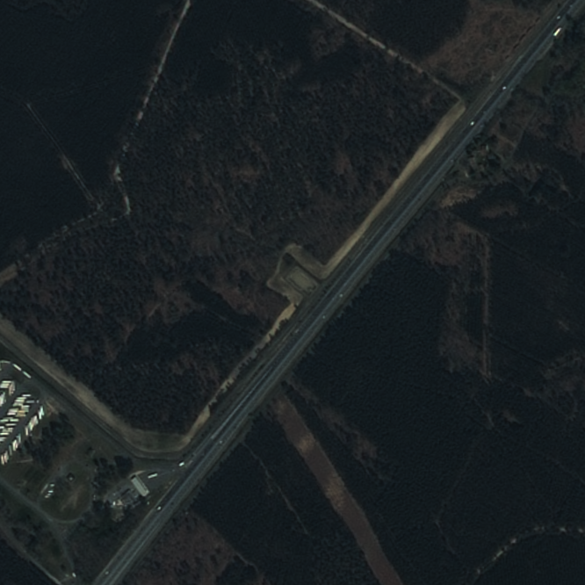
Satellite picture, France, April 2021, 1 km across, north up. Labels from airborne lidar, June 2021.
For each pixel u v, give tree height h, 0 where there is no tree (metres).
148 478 0
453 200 0
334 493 0
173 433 18
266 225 18
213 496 8
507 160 8
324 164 19
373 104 18
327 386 18
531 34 0
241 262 5
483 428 17
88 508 0
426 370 18
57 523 0
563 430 16
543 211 15
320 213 10
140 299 17
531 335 9
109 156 10
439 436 18
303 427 0
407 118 22
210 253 15
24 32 10
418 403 18
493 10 0
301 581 9
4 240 7
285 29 10
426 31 13
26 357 0
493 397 14
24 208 8
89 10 8
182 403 23
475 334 11
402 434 18
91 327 20
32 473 0
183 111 20
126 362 11
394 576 0
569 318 9
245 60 16
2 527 0
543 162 9
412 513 20
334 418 7
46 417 0
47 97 8
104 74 9
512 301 10
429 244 15
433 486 18
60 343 15
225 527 11
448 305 17
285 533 12
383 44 10
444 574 21
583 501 19
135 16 9
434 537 18
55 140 9
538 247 12
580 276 12
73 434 11
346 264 0
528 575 10
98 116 10
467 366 17
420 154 0
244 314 10
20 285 16
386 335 18
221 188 13
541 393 12
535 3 14
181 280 20
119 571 0
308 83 9
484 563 15
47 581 12
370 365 17
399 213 0
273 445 10
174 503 0
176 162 21
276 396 0
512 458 13
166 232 18
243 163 19
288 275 0
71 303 15
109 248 19
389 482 14
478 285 10
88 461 0
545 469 15
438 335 18
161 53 7
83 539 17
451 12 14
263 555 10
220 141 19
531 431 13
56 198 10
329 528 12
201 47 11
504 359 9
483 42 0
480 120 0
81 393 0
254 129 19
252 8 10
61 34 10
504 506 14
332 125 21
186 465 0
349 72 9
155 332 9
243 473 12
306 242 17
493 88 0
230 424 0
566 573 9
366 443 11
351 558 21
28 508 0
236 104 16
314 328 0
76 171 9
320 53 14
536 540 10
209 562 10
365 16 14
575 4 0
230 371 19
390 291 18
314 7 9
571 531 15
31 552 17
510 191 16
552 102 20
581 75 23
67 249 15
